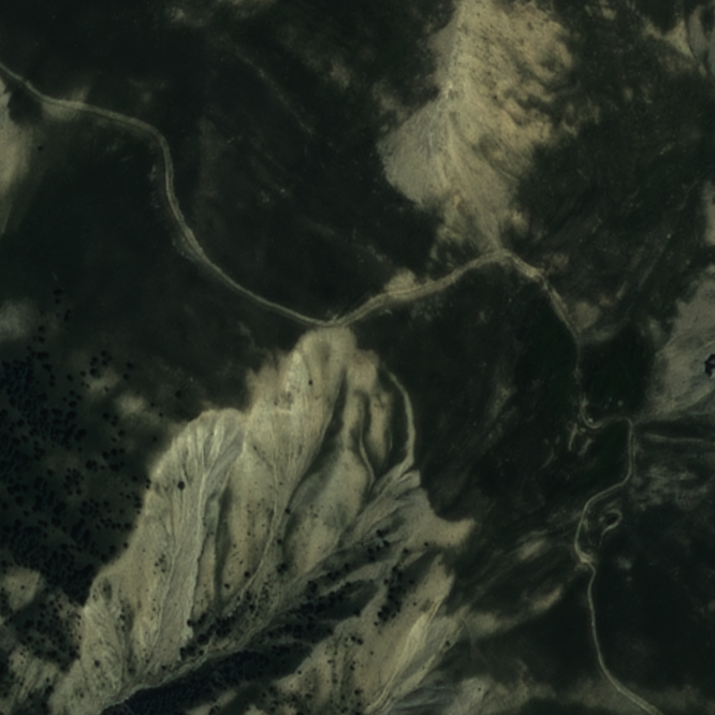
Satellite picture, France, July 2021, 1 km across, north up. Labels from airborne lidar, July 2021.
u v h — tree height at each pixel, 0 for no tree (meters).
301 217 0
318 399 0
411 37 0
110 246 0
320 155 0
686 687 0
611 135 0
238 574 0
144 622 0
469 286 0
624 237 0
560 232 0
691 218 0
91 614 0
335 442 0
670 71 0
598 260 0
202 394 0
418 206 0
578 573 0
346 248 0
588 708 0
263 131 0
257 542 0
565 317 0
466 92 0
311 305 0
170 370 0
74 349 0
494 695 0
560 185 0
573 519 0
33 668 0
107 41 0
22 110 0
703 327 0
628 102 0
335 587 0
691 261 0
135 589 0
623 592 0
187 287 0
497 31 0
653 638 0
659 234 0
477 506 0
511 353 0
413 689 0
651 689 0
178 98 0
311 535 0
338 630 0
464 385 0
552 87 0
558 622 0
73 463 0
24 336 0
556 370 0
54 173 0
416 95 0
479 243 0
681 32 0
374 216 0
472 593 0
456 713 0
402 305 0
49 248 0
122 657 0
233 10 0
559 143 0
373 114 0
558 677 0
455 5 0
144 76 0
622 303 0
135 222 0
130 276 0
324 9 0
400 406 0
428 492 0
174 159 0
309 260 0
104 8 0
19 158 0
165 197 0
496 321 0
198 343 0
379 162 0
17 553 15
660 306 0
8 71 0
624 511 0
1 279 0
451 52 0
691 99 0
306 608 12
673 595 0
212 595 0
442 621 0
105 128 0
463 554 0
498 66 0
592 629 0
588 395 0
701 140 0
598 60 0
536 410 0
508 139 0
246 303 0
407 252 0
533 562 0
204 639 15
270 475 0
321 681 0
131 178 0
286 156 0
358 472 0
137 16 0
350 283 0
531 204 0
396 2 0
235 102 0
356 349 0
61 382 0
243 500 0
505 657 0
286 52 0
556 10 0
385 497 0
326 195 0
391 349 0
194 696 12
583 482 0
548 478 0
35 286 0
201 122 0
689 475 0
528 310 0
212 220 0
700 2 0
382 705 0
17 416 0
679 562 0
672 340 0
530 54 0
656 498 0
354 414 0
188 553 0
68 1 0
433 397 0
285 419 0
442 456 0
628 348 0
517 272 0
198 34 0
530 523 0
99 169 0
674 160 0
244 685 0
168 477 0
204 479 0
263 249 0
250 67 0
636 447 0
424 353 0
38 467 0
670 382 0
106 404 0
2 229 0
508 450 0
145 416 0
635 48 0
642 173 0
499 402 0
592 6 0
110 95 0
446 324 0
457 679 0
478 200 0
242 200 0
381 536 12
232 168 0
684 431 0
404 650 0
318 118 0
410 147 0
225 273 0
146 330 0
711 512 0
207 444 0
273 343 0
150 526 0
